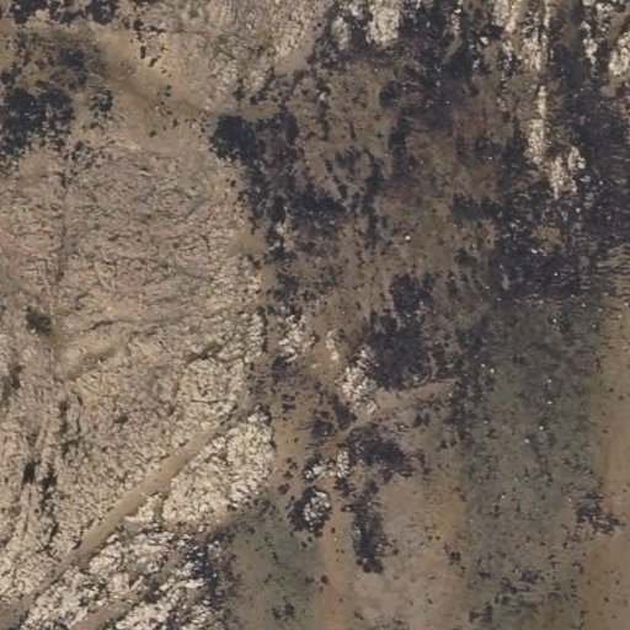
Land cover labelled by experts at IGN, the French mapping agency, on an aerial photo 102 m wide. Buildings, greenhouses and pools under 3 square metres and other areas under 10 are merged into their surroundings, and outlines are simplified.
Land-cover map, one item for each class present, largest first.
<instances>
[{"label":"bare soil","instance_id":"1","mask_svg":"<svg viewBox=\"0 0 630 630\"><path fill-rule=\"evenodd\" d=\"M433 0H47L44 7L37 10L27 22H15L12 0H0V106L5 96H12L20 89L32 96L49 91H62L64 96H69V101L62 106H47L44 123L37 133H30L22 158H0V630H630V253H625L623 246L610 249L608 258L598 261L596 276H588V266L578 263L581 288L573 295H561L556 300L541 298L539 293H529L527 298H517L509 288V276L502 268H490L487 263L495 241L509 239V234L497 231L490 219H470L455 224L450 207L455 197H468L475 202L490 199L492 204L502 202L497 194V170H504L502 155L507 140L512 135H519L522 130L529 135L527 155L534 162L529 167V175L536 182L549 180L554 197H559L561 189L576 192L573 172L586 165L578 148L568 150L566 155H559L556 160L544 155L546 111L554 113L564 106V96L554 91L559 84L554 81V74L544 66V59L551 57L556 47H571L578 37L586 47L588 62H596L598 44L608 42L615 52L610 54V79L600 91L603 96H610L620 84L630 89V0H495V25L504 27L502 39L480 37L477 44H470V49L460 47L443 69L460 81L473 76L477 86V98H468L460 111H450L453 128L445 133L428 130L426 123H421V118H411L406 150L416 158V170L404 180V185H399L391 177L394 155L389 150V133L406 106L421 101V91L404 94L381 106V89L394 81V74L389 69H372L364 59H359L354 64H347L342 74H337L332 69H325L322 64H310L308 54L313 52L315 37H320L325 30H335L340 47L347 49L349 27L345 20L349 15L357 17L369 10L372 22L367 37L386 44L396 39L399 20L416 17L418 7H431ZM281 108H288L298 121L295 150H303V158L293 162V177L300 189L315 185V189H325L337 204L349 207L354 194L367 187V177L381 175L379 197L374 199L379 234L374 249H367L364 241L367 219L345 221L337 236H310L303 229H290V224H278L271 219H261L258 229L253 231L249 229L251 212L249 207L239 204V192L249 185V180L244 177V162L219 158L209 140L221 116L261 121L271 118ZM423 273H438L431 290L433 300L418 303L416 308V320L426 349V374L418 377L411 369H401L404 386L399 391L381 389L374 379H367L362 374L372 354L369 335L384 332V317H391L399 330L404 327V317L394 305L391 281L396 276L423 278Z\"/></svg>","mask_w":630,"mask_h":630},{"label":"herbaceous vegetation","instance_id":"2","mask_svg":"<svg viewBox=\"0 0 630 630\"><path fill-rule=\"evenodd\" d=\"M47 0H12L15 22H27L37 10L44 7ZM349 27L347 49L340 47L335 30H325L320 37H315L313 52L308 54L310 64H322L325 69H332L337 74H342L347 64H354L359 59H364L372 69H389L394 74V81L381 89V106L404 94L421 91V101L406 106L389 133V150L394 155L391 177L399 185H404V180L416 170V158L406 150L411 118H421V123H426L428 130L445 133L453 128L450 111H460L468 98H477V86L473 76L460 81L443 69L460 47L470 49V44H477L480 37L502 39L504 27L495 25V0H433L431 7H418L416 17L399 20L396 39L386 44L367 37L372 22L369 10L357 17L349 15L345 20ZM615 52L608 42L598 44L596 62H588L586 47L578 37L571 47H556L551 57L544 59V66L554 74V81L559 84L554 91L564 96V106L554 113L546 111L544 155L556 160L559 155H566L568 150L578 148L586 165L573 172L576 192L561 189L559 197H554L549 180L536 182L529 175V167L534 162L527 155L529 135L522 130L519 135H512L507 140L502 155L504 170H497V194L502 202L492 204L490 199L475 202L468 197H455L450 207L455 224L470 219H490L497 231L509 234V239L495 241L487 263L490 268H502L509 276V288L517 298H527L529 293H539L541 298L556 300L561 295H573L581 288L578 263L588 266V276H596L598 261L608 258L610 249L623 246L625 253H630V89L620 84L610 96H603L600 91L610 79V54ZM69 101V96H64L62 91H49L32 96L20 89L12 96H5L0 106V158H22L30 133H37L44 123L47 106H62ZM298 121L288 108H281L271 118L261 121L221 116L209 140L219 158L244 162V177L249 180V185L239 192V204L249 207L251 212L249 229L253 231L258 229L261 219H271L278 224H290V229H303L310 236H337L345 221L367 219L364 241L367 249H374L379 234L374 199L379 197L381 175L367 177V187L354 194L349 207L337 204L325 189H315V185L300 189L293 177V162L303 158V150H295ZM438 273H423V278L396 276L391 281L394 305L404 317V327L399 330L391 317H384V332L369 335L372 354L362 374L367 379H374L381 389L399 391L404 386L401 369H411L418 377L426 374V349L416 320V308L418 303L433 300L431 290Z\"/></svg>","mask_w":630,"mask_h":630}]
</instances>
